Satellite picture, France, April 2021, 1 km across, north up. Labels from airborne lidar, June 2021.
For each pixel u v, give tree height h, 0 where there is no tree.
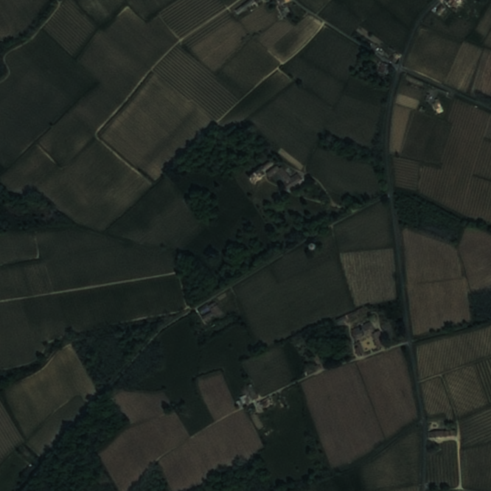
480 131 0
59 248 0
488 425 0
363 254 0
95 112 0
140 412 0
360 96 0
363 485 0
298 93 0
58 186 0
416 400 0
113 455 0
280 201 24
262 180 0
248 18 0
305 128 0
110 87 0
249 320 0
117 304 0
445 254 0
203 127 0
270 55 0
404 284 0
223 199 0
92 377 14
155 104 0
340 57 0
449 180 0
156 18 0
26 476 10
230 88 0
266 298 0
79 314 0
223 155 18
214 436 0
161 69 0
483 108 0
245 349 0
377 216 0
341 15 0
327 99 0
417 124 0
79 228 0
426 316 0
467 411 0
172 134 0
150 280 0
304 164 0
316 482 16
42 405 0
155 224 0
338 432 0
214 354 0
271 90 0
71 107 0
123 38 0
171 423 0
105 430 20
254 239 9
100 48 0
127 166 0
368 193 0
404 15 0
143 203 0
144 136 0
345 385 0
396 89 0
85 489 15
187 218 0
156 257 0
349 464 0
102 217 0
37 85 0
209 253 13
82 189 0
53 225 12
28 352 0
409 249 0
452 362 0
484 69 0
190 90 0
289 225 9
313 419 0
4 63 17
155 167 0
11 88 0
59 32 0
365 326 0
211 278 21
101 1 0
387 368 0
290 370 0
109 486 10
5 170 0
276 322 0
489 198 0
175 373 0
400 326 8
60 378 0
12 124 0
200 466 0
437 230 15
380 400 0
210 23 0
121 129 0
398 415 0
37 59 0
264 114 0
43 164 0
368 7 0
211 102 0
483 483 0
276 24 0
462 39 0
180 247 0
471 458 0
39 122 0
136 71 0
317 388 0
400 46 0
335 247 0
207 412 0
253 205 0
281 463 0
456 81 0
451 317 0
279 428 0
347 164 0
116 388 18
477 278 0
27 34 14
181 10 0
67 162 0
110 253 0
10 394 0
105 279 0
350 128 0
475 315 9
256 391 0
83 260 0
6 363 0
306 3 0
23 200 15
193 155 19
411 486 0
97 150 0
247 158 23
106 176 0
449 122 0
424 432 0
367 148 8
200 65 0
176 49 0
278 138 0
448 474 0
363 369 0
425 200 8
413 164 0
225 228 0
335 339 15
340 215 9
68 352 0
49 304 0
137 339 8
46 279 0
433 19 0
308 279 0
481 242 0
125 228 0
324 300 0
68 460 18
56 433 0
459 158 0
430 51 0
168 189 0
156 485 11
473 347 0
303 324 0
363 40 10
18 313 0
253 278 0
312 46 0
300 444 0
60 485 19
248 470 13
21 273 0
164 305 0
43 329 0
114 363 22
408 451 0
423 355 0
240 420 0
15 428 0
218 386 0
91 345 16
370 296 0
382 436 0
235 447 0
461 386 0
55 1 9
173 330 0
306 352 6
